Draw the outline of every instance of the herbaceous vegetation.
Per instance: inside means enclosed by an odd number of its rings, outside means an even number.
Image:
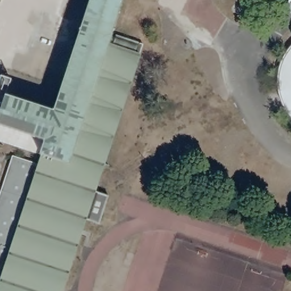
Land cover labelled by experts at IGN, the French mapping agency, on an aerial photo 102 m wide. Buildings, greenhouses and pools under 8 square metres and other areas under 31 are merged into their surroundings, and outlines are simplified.
[[[235,0],[211,0],[211,5],[219,14],[238,22],[246,7]]]
[[[83,249],[90,247],[93,251],[106,236],[103,231],[111,225],[117,223],[120,226],[135,219],[117,210],[123,197],[127,194],[128,198],[149,202],[145,192],[151,188],[152,178],[163,174],[164,168],[171,161],[188,155],[190,151],[201,149],[208,157],[211,174],[219,171],[226,178],[233,176],[238,191],[246,191],[251,185],[261,190],[268,189],[278,202],[273,209],[275,214],[288,214],[291,217],[291,169],[278,164],[271,153],[266,152],[256,142],[255,135],[242,123],[241,109],[234,106],[235,102],[231,97],[224,100],[221,94],[214,93],[213,86],[209,86],[209,78],[203,77],[196,63],[198,50],[192,47],[192,41],[186,38],[183,30],[168,18],[166,11],[160,6],[144,8],[139,0],[123,0],[114,34],[125,36],[140,44],[139,52],[142,53],[142,57],[136,69],[135,85],[132,92],[127,95],[122,113],[118,115],[120,119],[115,133],[116,143],[111,144],[106,161],[107,167],[103,169],[98,186],[98,191],[108,194],[108,198],[103,203],[99,221],[90,218],[81,230],[80,243],[73,243],[72,247],[77,248],[77,253],[64,291],[70,291],[75,281],[80,283],[81,280],[86,261],[82,256]],[[159,86],[156,90],[171,99],[176,110],[166,110],[165,114],[148,120],[140,109],[140,103],[147,101],[149,90],[155,89],[155,86],[144,83],[144,73],[155,69],[160,63],[160,57],[168,59],[166,73],[171,77],[168,78],[166,86]]]
[[[291,45],[291,18],[289,26],[282,31],[276,31],[267,42],[267,49],[271,50],[277,47],[289,49]]]

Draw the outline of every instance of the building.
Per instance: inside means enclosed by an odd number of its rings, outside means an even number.
[[[280,63],[278,68],[278,91],[282,105],[288,109],[291,116],[291,45],[289,49],[277,47],[271,50],[275,60]]]
[[[0,291],[64,291],[77,253],[77,248],[72,247],[73,243],[80,243],[81,230],[90,218],[99,221],[103,203],[108,198],[108,194],[98,191],[98,186],[103,169],[107,167],[106,161],[111,144],[116,143],[115,133],[120,119],[118,115],[122,113],[127,95],[132,92],[135,85],[136,69],[142,57],[142,53],[139,52],[140,44],[125,36],[114,34],[123,0],[89,0],[55,105],[48,107],[3,92],[3,86],[9,85],[11,80],[6,75],[0,75],[0,142],[33,152],[30,160],[11,156],[0,191]]]

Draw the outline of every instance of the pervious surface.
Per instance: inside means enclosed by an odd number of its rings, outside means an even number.
[[[68,0],[0,0],[0,75],[6,75],[11,80],[16,76],[36,84],[42,82]]]

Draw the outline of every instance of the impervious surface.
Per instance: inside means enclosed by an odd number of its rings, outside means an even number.
[[[82,256],[86,261],[81,280],[80,283],[75,281],[70,291],[291,291],[291,248],[271,246],[261,236],[252,236],[246,230],[211,221],[201,222],[189,215],[178,215],[167,208],[153,206],[149,202],[128,198],[127,194],[123,197],[117,210],[135,219],[120,226],[117,223],[111,225],[103,231],[106,236],[93,251],[90,247],[83,249]]]
[[[30,160],[33,152],[0,142],[0,191],[11,156]]]
[[[267,42],[258,41],[251,34],[241,31],[238,22],[219,14],[211,5],[211,0],[139,0],[144,8],[160,6],[166,11],[168,18],[183,30],[186,38],[192,41],[192,47],[198,50],[196,63],[203,77],[209,78],[209,86],[213,86],[214,93],[221,94],[224,100],[231,97],[235,102],[234,106],[241,109],[242,123],[255,135],[256,142],[266,152],[271,153],[278,164],[291,169],[291,132],[282,126],[276,126],[272,120],[282,105],[278,91],[265,95],[263,90],[259,90],[258,80],[263,70],[278,68],[280,63],[275,60],[271,50],[267,49]]]
[[[48,107],[55,105],[89,0],[68,0],[42,82],[36,84],[16,76],[11,80],[9,85],[3,86],[3,92]]]

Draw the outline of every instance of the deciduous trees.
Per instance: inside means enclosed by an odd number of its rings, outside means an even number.
[[[261,190],[251,185],[246,191],[238,191],[233,176],[226,178],[219,171],[211,174],[208,157],[201,149],[190,151],[188,155],[171,161],[164,168],[163,174],[152,178],[151,188],[145,192],[149,202],[153,206],[167,208],[178,215],[189,215],[201,222],[211,221],[246,230],[252,236],[261,236],[271,246],[291,248],[291,217],[288,214],[275,214],[273,209],[278,202],[268,189]]]
[[[171,99],[156,90],[159,86],[166,86],[168,78],[171,77],[166,73],[168,59],[160,57],[160,63],[155,69],[144,73],[144,83],[155,86],[155,89],[149,90],[147,101],[140,103],[140,109],[148,120],[165,114],[166,110],[176,110]]]
[[[272,120],[276,126],[282,126],[291,132],[291,116],[288,109],[282,105]]]
[[[263,70],[258,80],[259,90],[263,90],[265,95],[278,91],[278,68]]]
[[[238,22],[241,31],[251,34],[258,41],[267,42],[276,31],[282,31],[289,26],[291,18],[291,0],[235,0],[246,7]]]

